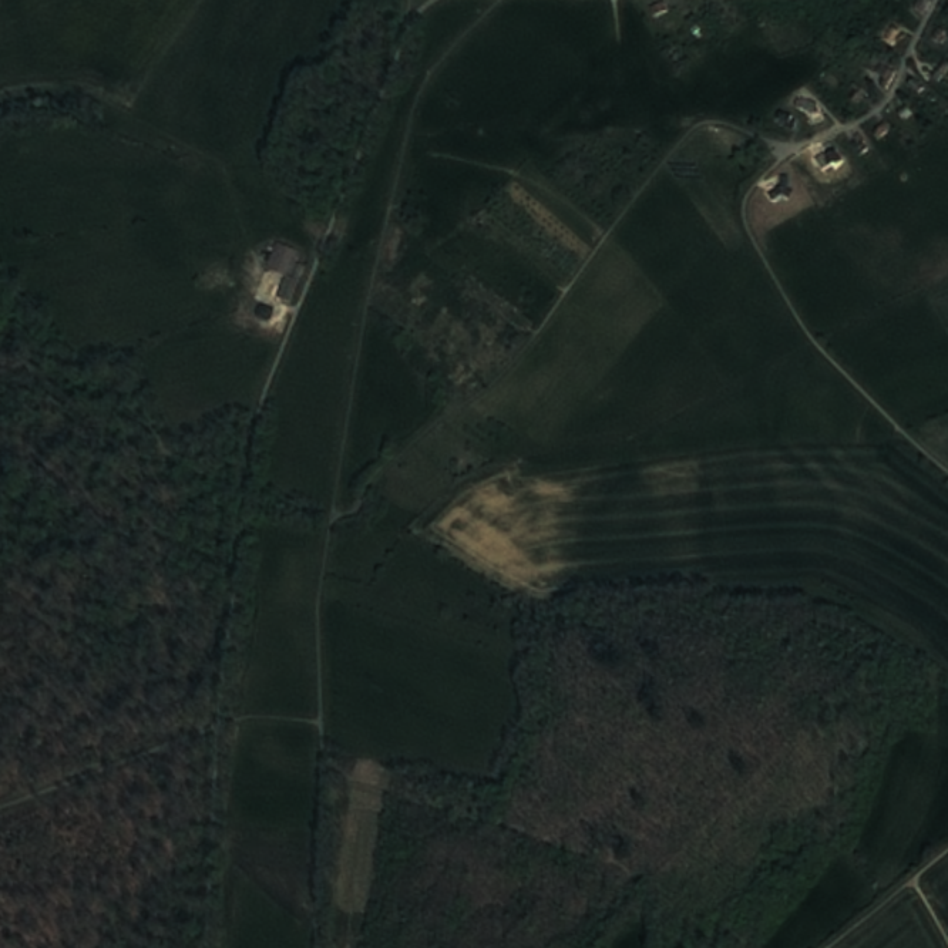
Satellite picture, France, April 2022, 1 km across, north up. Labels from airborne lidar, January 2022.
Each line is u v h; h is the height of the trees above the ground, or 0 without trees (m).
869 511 0
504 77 0
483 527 0
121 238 0
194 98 0
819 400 0
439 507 0
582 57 0
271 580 0
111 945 32
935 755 0
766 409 0
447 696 0
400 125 0
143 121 0
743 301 0
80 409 27
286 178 23
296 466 0
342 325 0
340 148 26
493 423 9
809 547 0
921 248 0
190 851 26
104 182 0
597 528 0
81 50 0
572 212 0
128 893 19
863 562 0
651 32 0
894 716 20
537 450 0
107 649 29
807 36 0
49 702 32
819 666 16
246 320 0
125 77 0
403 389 0
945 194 0
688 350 0
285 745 0
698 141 0
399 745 0
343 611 0
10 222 0
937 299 0
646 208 0
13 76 0
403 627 0
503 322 0
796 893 21
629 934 20
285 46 0
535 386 0
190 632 31
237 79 0
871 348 0
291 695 0
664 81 0
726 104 0
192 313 0
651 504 0
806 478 0
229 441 26
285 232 0
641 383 0
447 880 13
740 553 0
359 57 27
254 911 0
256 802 0
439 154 0
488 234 11
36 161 0
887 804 0
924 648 0
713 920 20
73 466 27
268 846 0
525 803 22
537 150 0
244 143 0
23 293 25
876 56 7
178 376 0
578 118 0
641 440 0
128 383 29
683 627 20
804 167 0
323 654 0
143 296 0
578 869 17
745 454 0
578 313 0
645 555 0
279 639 0
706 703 25
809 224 0
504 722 0
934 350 0
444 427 0
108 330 0
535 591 0
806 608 20
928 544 0
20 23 0
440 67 0
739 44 0
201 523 24
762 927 22
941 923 0
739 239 0
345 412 0
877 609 0
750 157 13
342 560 0
